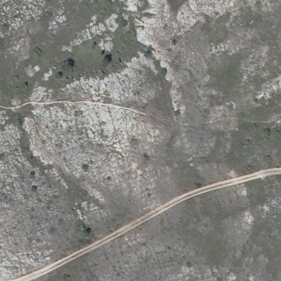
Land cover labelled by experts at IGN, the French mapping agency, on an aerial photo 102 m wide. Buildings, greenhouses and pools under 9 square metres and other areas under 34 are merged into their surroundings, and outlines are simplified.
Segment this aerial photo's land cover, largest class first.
<instances>
[{"label":"bare soil","instance_id":"1","mask_svg":"<svg viewBox=\"0 0 281 281\"><path fill-rule=\"evenodd\" d=\"M70 0H0V37L12 34L13 47L7 48L8 52L21 61L29 58L30 38H21L18 41L16 38L25 36L26 32L35 34L41 31V27L57 29L56 23L66 20L64 2ZM127 4L123 18L127 20L133 16L137 40L153 47V54L146 58L142 52H138L139 57H133L128 61L125 69L114 72L104 79L80 78L59 89L44 88L35 82L31 97L25 99V102L13 99L12 106L0 104V281H12L15 277L27 276L61 258L63 250L58 249L60 239L54 234L55 229L63 234L58 224L59 218H63L64 221L74 220V215L57 212L58 203L50 204V210L46 209L50 196L59 194L58 189L43 186L45 177L40 175V168L33 167L23 157L18 126L9 122V116H2L8 110L15 112L22 106L33 105L34 115L32 119L25 117L23 126L29 134L33 155L40 158L44 165L53 166V169L45 170V173H50V177H55L61 186L67 189L68 184L60 177L64 171L69 176L85 177V182L80 187L95 196L104 205V209L101 210L91 203L90 213L81 215V211L78 210L77 214L79 220L88 225L86 232H92L98 239L151 210H156L159 205L178 195L207 184L238 177L234 170L228 168L225 157L231 149L232 133L238 131L236 114L244 112L245 109L258 108L261 105L254 102V99H269L271 92L281 89V72L278 70L271 75L269 71L262 70L268 61L269 49L268 46H261L259 49L251 50L252 54L248 59L241 60V98L212 108L207 98L210 94H216V90L204 88L205 83L210 80L207 69L228 66L229 58L238 53L240 48L250 46V38L256 32L255 29H244L237 32V36L231 40L215 46L214 43H209V36L204 35V31L201 30L205 15L218 19L225 12H231L226 22L227 27L232 24L234 16L239 14L241 7H251L252 11H256L257 1L262 4V11H273V3L270 0H120ZM117 15L112 14L99 25H95L97 15H93L86 30L78 32L77 40L71 41L69 46H63V50L71 52L72 47L99 34L102 55L106 57L113 46L114 31L117 29ZM37 281H281V173L194 195L114 238L110 243L44 274Z\"/></svg>","mask_w":281,"mask_h":281},{"label":"herbaceous vegetation","instance_id":"2","mask_svg":"<svg viewBox=\"0 0 281 281\"><path fill-rule=\"evenodd\" d=\"M127 4L120 0H70L64 2L66 20L56 23L57 29L41 27V31L35 34L26 32L25 36L16 38L18 41L21 38H30L29 58L21 61L8 52L7 48L13 47L12 34L0 37V104L12 106L13 99L25 102V99L31 97L35 82L44 88L59 89L80 78L104 79L114 72L125 69L128 61L133 57H139L138 52H142L146 58L153 54V47L137 40L133 16L127 20L123 18ZM112 14L117 15V29L114 31L113 46L106 57L102 55L99 34L72 47L71 52L63 50V46H69L71 41L77 40L78 32L86 30L93 15H97L95 25H99ZM273 3V11H262V4L257 1L256 11H252L251 7H241L239 14L234 16L232 24L227 27L226 22L231 12H225L218 19L205 15L201 30L204 31V35L209 36V43H214L215 46L231 40L237 36V32L244 29H255L256 32L250 38V46L240 48L238 53L229 58L228 66L207 69L210 80L205 83L204 88L216 90V94H210L207 98L212 108L241 98V60L248 59L252 54L251 50L259 49L261 46H268L269 49L268 61L262 70L269 71L271 75L278 70L281 72V0H270ZM254 102L261 105L258 108L245 109L244 112L236 114L238 131L232 133L231 149L225 157L228 168L234 170L238 177L263 169H281V89L271 92L269 99H254ZM34 115L33 105L22 106L15 112L8 110L2 116H9V122L18 126L23 157L33 167L40 168V175L45 177L43 186L58 189L59 194L50 196L46 209L50 210V204L58 203L57 212L74 215V220L64 221L63 218H59L58 224L63 234L55 229L54 234L60 239L58 249L63 250L61 258L98 239L92 232H86L88 225L79 220L77 214L78 210L81 211V215L90 213L91 203L101 210L104 209V205L95 196L80 187L85 182V177L69 176L64 171L60 177L68 184L67 189L61 186L55 177H50V173H45V170L53 169V166L44 165L40 158L33 155L29 134L23 126L25 117L32 119Z\"/></svg>","mask_w":281,"mask_h":281},{"label":"pervious surface","instance_id":"3","mask_svg":"<svg viewBox=\"0 0 281 281\"><path fill-rule=\"evenodd\" d=\"M281 173V169H263L238 177L207 184L178 195L159 205L156 210H151L98 239L61 258L27 276L15 277L12 281H37L44 274L110 243L114 238L194 195Z\"/></svg>","mask_w":281,"mask_h":281}]
</instances>
